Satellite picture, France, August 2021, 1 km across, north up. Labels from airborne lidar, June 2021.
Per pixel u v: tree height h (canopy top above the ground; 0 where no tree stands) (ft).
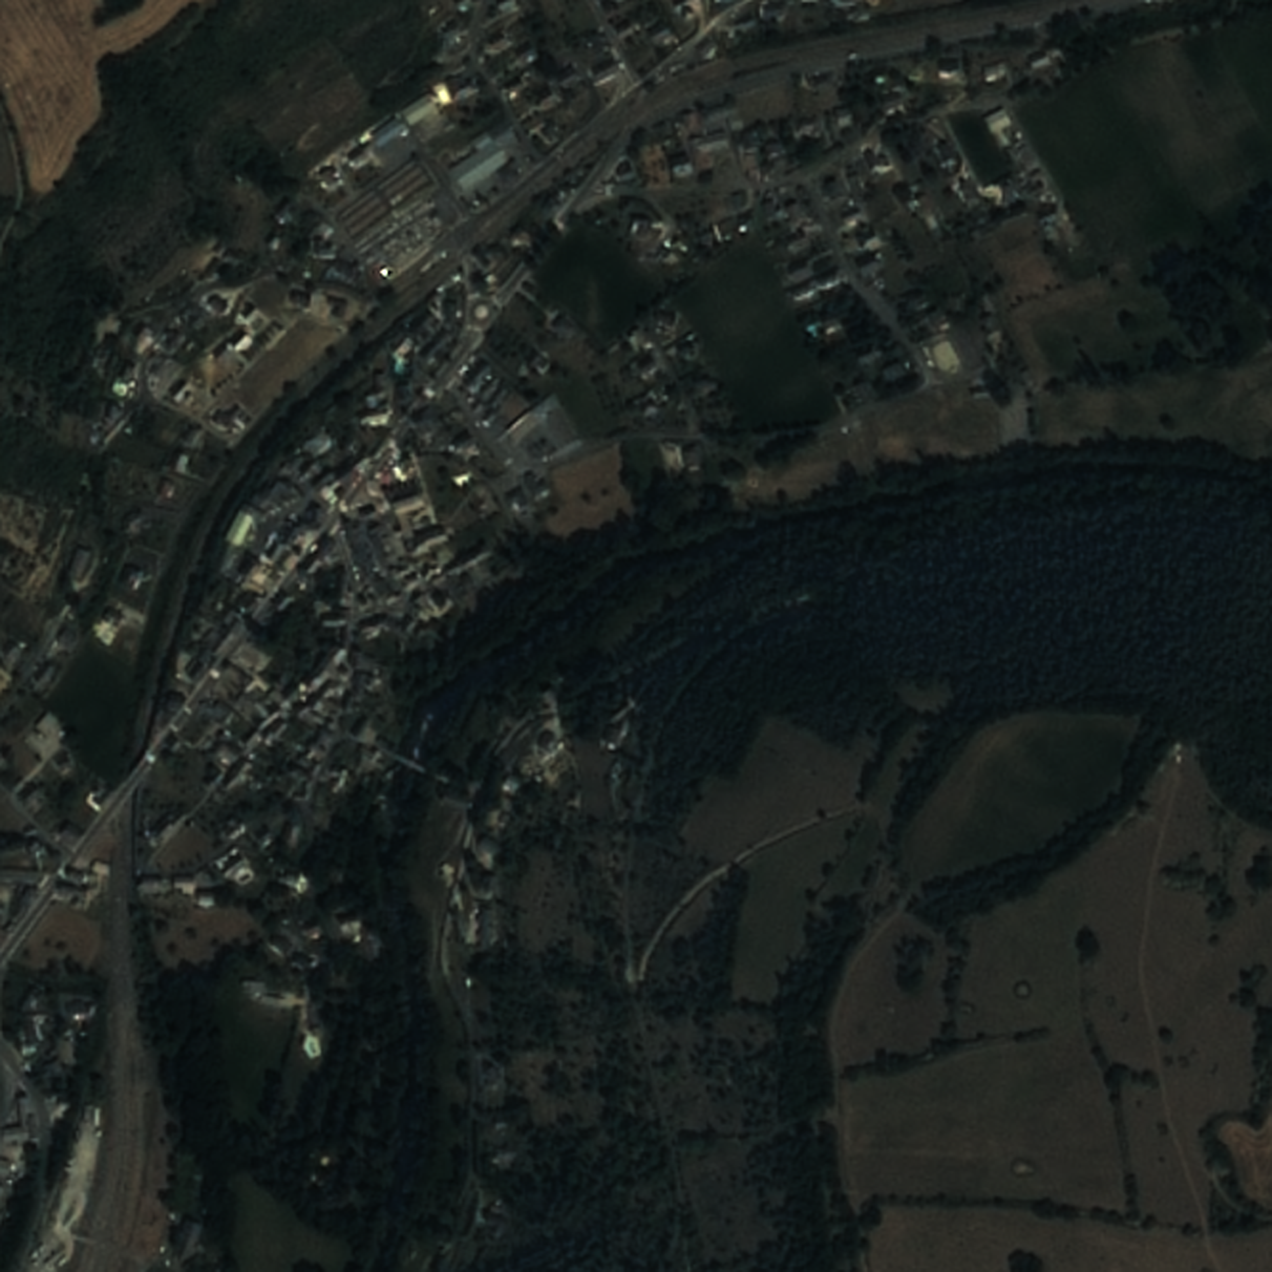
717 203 0
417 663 45
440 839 0
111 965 0
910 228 0
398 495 0
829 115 22
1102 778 0
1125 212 0
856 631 28
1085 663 61
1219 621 50
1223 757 41
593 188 0
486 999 0
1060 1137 0
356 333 29
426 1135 74
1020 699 33
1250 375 0
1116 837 0
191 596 26
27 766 0
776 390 0
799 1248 26
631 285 0
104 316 27
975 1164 0
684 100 0
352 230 0
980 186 0
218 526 32
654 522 64
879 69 19
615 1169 29
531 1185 31
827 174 0
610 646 0
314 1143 58
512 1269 20
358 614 0
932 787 27
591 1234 19
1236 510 23
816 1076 34
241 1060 0
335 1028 41
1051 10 0
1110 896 0
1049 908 0
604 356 28
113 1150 0
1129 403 0
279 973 29
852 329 27
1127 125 0
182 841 0
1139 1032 0
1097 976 0
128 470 0
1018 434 0
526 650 72
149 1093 0
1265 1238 0
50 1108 0
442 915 0
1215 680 70
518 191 0
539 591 62
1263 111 0
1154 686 57
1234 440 0
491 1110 24
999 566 38
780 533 50
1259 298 55
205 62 23
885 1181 0
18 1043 19
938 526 60
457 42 0
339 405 30
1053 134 0
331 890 57
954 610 61
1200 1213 0
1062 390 38
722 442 24
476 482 21
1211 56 0
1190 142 0
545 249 35
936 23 0
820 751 0
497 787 30
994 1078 0
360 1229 66
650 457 0
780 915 0
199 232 32
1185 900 0
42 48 0
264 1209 0
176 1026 43
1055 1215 20
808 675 39
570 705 31
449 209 0
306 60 0
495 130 0
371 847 46
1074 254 0
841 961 22
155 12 0
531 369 26
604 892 21
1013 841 0
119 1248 0
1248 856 0
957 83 0
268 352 0
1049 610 52
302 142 0
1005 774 0
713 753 21
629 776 24
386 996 39
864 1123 0
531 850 18
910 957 24
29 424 25
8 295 36
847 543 46
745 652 30
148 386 0
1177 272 92
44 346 27
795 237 0
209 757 18
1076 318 0
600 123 0
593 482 0
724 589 48
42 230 29
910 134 31
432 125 0
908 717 35
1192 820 0
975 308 23
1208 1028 0
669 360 0
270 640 62
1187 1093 0
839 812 0
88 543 0
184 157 35
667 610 25
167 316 0
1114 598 57
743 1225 0
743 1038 0
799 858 0
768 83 0
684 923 0
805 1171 35
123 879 0
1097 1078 0
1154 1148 0
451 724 106
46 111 0
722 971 28
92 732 0
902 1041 0
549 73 44
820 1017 25
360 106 0
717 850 0
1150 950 0
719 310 0
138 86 20
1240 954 0
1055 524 35
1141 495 31
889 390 25
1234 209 0
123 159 21
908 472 51
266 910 42
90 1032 28
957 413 0
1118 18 32
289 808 35
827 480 0
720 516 53
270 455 36
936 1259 0
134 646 0
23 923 0
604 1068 28
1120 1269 0
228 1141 68
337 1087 51
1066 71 35
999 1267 0
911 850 0
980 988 0
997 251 0
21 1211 62
